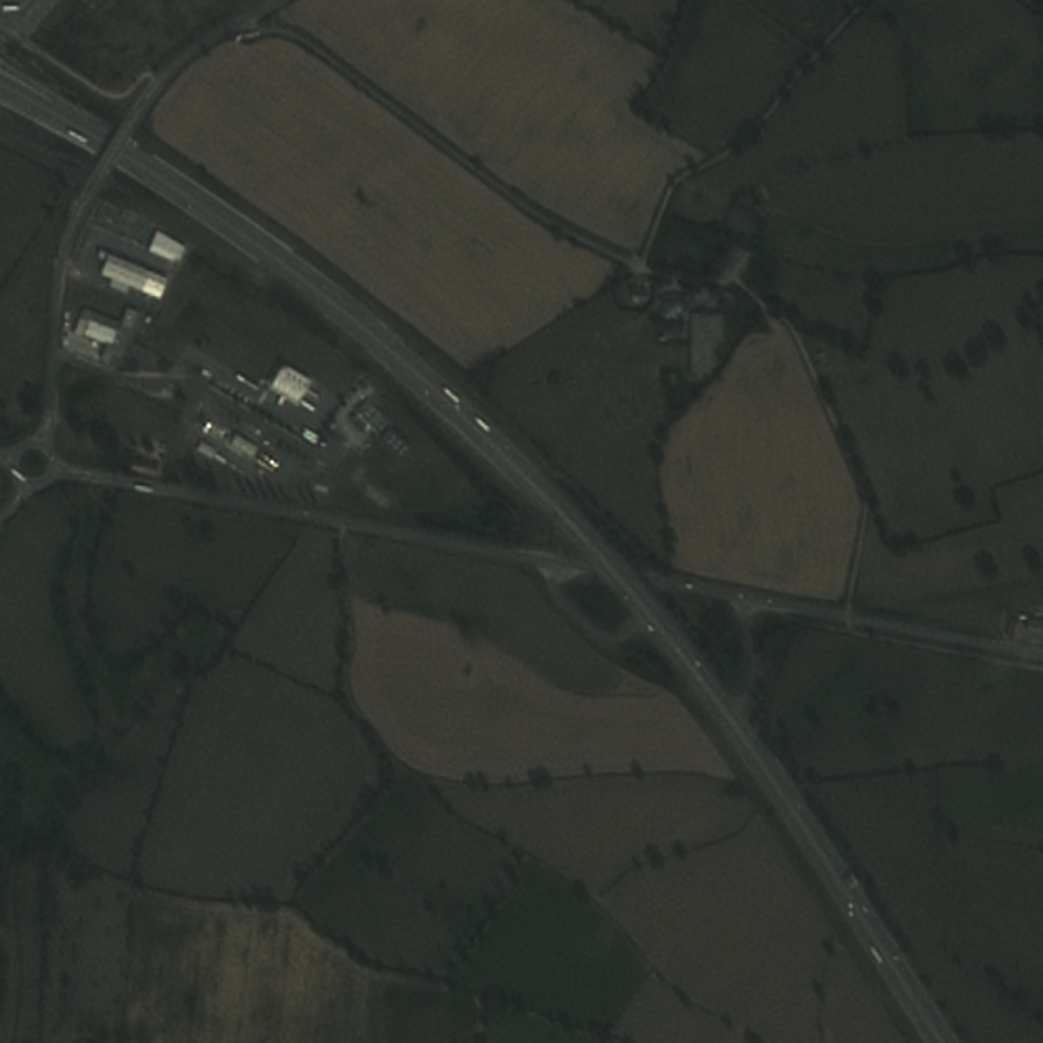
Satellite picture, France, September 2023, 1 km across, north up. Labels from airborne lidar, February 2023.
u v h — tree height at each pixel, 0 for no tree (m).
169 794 0
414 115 0
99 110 0
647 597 0
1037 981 0
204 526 10
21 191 0
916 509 0
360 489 0
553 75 0
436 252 0
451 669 0
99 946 0
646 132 0
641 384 0
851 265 0
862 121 0
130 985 0
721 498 0
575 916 0
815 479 0
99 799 0
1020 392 0
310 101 0
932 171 0
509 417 0
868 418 0
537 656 0
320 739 0
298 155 0
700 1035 0
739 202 14
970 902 0
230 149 0
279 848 0
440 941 0
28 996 0
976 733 0
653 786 0
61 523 0
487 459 0
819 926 0
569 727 0
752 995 0
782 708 0
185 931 0
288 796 0
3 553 0
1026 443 0
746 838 0
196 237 0
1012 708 0
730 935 0
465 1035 0
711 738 0
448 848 0
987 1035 0
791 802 0
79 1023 0
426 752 0
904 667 0
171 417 0
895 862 0
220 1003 0
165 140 0
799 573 0
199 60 0
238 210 0
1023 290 0
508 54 0
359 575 0
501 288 0
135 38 0
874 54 0
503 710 0
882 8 0
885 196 0
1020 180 0
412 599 0
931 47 0
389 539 0
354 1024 0
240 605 0
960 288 0
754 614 0
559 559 0
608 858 0
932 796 0
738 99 0
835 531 0
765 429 0
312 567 0
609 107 0
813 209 0
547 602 0
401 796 0
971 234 0
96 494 0
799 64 6
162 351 0
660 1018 0
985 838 0
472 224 0
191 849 0
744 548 0
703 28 0
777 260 0
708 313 0
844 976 0
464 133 0
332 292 0
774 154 0
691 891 0
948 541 0
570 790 0
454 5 0
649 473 0
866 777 0
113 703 0
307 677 0
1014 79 0
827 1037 0
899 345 0
